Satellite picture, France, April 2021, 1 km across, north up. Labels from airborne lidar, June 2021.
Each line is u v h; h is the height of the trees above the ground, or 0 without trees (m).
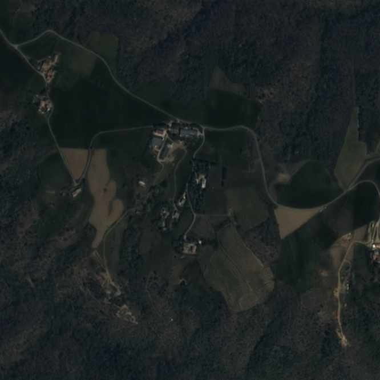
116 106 0
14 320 16
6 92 0
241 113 0
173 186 0
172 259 0
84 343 18
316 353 12
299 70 15
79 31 15
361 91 7
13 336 8
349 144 0
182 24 27
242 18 17
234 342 9
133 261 7
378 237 0
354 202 0
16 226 7
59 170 0
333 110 9
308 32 15
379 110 8
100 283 7
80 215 0
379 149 0
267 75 15
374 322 7
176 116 0
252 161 7
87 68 0
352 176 0
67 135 0
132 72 22
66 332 20
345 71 15
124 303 9
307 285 0
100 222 0
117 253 0
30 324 14
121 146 0
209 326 6
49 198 0
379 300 0
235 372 11
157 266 0
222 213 0
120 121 0
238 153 0
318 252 0
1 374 16
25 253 14
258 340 20
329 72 15
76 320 23
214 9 25
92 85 0
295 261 0
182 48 17
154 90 0
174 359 18
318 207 0
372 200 0
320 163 0
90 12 26
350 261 0
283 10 15
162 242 0
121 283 11
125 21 19
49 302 14
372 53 17
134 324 7
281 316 12
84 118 0
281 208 0
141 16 28
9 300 19
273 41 21
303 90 11
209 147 0
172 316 7
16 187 6
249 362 16
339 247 0
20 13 0
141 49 9
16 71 0
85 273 0
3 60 0
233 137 0
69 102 0
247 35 18
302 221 0
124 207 0
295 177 0
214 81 0
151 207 9
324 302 0
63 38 0
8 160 9
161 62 19
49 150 12
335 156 7
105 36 0
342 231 0
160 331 11
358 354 7
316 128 10
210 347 13
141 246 0
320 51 9
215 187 0
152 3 10
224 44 14
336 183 0
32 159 13
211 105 0
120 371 15
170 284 0
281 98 9
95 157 0
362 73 10
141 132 0
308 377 14
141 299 12
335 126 12
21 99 13
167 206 10
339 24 18
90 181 0
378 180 0
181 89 16
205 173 10
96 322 15
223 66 11
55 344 15
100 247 0
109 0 26
